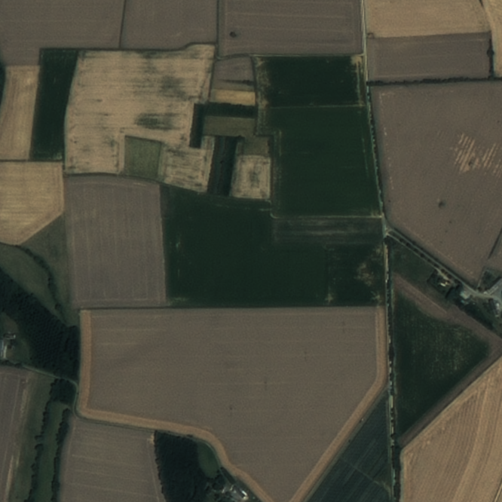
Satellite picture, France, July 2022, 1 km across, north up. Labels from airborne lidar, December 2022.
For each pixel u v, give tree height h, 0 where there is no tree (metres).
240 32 0
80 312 0
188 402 0
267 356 0
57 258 0
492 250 0
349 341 0
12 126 0
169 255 0
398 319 0
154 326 0
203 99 0
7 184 0
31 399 0
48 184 0
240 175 0
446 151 0
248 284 0
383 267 0
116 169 0
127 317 0
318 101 0
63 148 0
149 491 0
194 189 0
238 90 0
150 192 0
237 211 0
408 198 0
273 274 0
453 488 0
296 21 0
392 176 0
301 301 0
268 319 0
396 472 8
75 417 0
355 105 0
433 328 0
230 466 0
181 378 0
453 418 0
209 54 0
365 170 0
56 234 0
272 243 0
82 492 0
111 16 0
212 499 0
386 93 0
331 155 0
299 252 0
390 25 0
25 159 0
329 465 0
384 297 0
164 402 0
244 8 0
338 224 0
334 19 0
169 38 0
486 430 0
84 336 0
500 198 0
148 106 0
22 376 0
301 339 0
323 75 0
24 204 0
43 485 0
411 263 0
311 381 0
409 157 0
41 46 0
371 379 0
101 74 0
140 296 0
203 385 0
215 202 0
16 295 8
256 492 0
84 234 0
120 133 0
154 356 0
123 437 0
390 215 0
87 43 0
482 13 0
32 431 0
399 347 0
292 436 0
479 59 0
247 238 0
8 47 0
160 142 0
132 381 0
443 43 0
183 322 0
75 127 0
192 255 0
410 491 0
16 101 0
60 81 0
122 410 0
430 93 0
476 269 0
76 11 0
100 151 0
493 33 0
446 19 0
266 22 0
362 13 0
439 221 0
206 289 0
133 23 0
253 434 0
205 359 0
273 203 0
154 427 0
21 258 0
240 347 0
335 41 0
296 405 0
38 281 0
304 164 0
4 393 0
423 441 0
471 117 0
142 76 0
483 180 0
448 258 0
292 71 0
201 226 0
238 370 0
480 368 0
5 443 0
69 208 0
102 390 0
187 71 0
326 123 0
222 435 0
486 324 7
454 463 0
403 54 0
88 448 0
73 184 0
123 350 0
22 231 0
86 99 0
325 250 0
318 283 0
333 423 0
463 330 0
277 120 0
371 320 0
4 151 0
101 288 0
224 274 0
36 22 0
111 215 0
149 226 0
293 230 0
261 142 0
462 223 0
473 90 0
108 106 0
